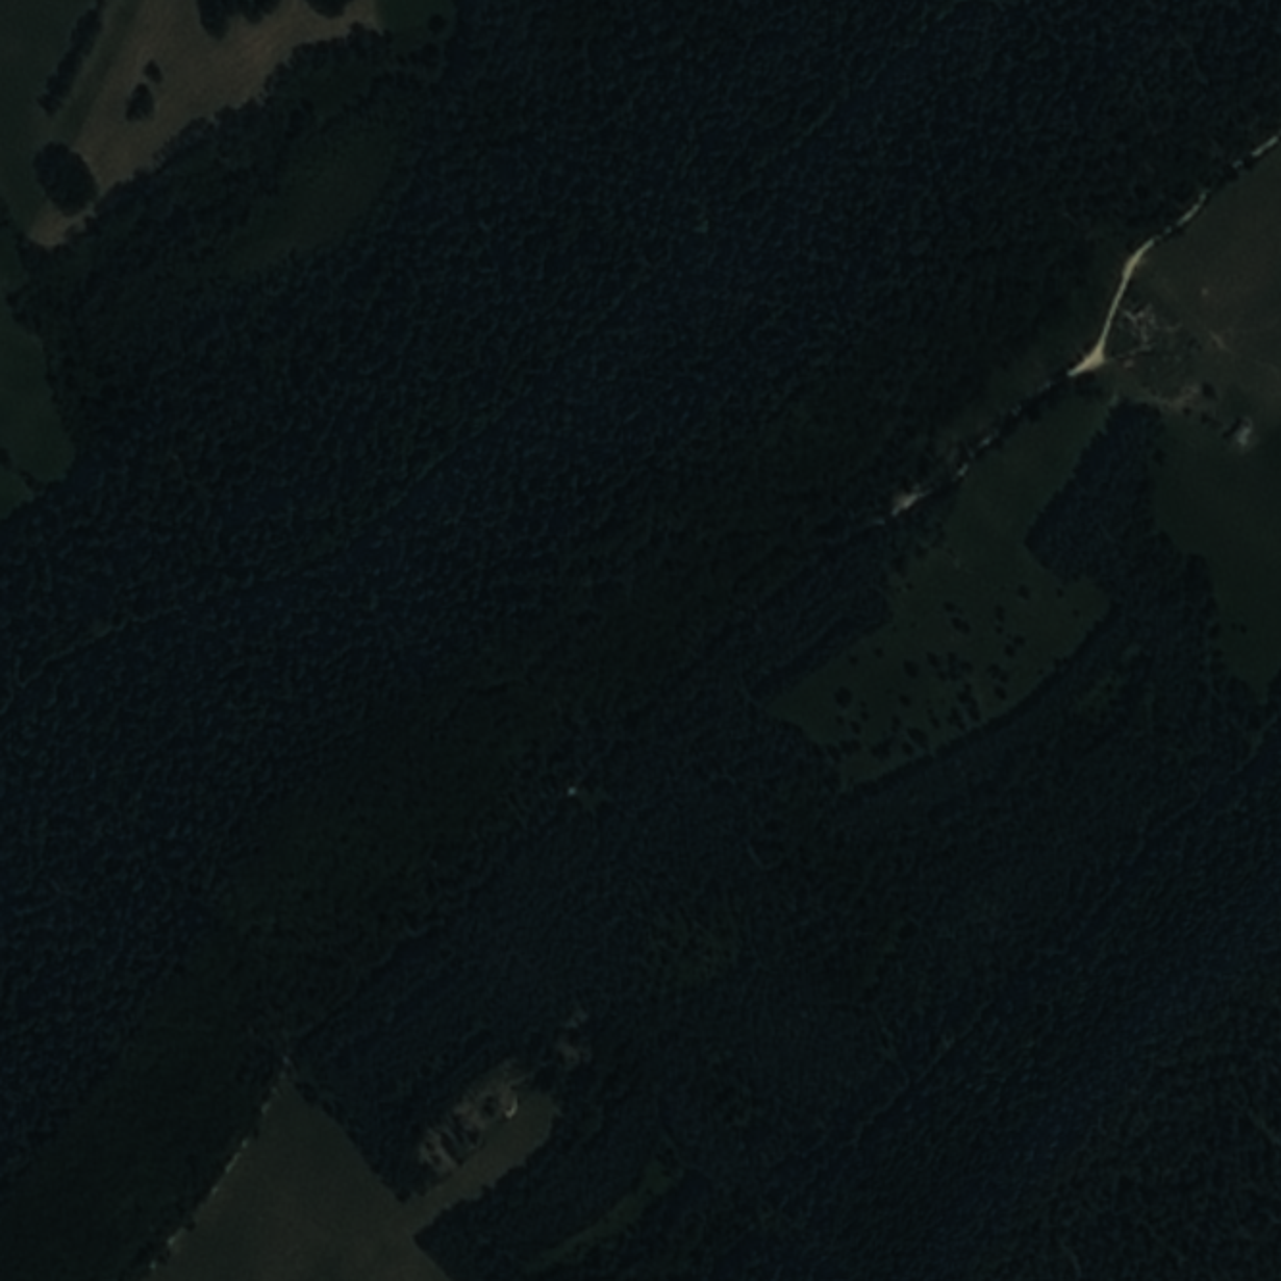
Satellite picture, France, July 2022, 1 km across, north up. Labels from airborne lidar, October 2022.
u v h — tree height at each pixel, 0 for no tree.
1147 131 17
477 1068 13
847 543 18
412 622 29
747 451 13
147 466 30
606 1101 19
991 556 0
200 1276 0
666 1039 14
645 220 26
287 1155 0
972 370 21
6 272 0
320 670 19
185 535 34
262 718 5
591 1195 19
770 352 12
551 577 26
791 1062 19
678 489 15
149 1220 16
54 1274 13
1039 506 0
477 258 32
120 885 11
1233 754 20
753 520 15
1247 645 0
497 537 25
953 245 17
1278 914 22
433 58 15
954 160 23
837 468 18
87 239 7
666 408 29
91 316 17
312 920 18
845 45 22
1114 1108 21
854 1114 27
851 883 18
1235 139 12
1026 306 18
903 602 0
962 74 20
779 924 12
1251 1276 28
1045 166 19
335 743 24
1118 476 21
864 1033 15
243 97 0
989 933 20
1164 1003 22
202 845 20
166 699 18
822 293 16
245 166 6
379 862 18
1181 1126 26
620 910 15
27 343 0
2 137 0
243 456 23
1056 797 17
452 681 18
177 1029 21
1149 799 19
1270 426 0
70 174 22
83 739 14
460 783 20
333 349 23
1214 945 20
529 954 19
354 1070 19
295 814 14
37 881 20
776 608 19
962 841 21
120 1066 12
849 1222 25
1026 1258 13
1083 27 29
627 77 16
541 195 15
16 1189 19
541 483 26
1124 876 21
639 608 17
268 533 23
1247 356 0
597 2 23
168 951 17
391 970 25
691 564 19
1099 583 9
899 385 19
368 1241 0
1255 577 0
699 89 16
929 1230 17
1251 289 0
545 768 16
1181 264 0
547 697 20
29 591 35
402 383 23
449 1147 14
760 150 19
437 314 26
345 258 11
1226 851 30
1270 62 17
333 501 24
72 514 30
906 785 15
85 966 28
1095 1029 27
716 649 21
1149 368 0
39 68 0
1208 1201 19
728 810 18
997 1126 27
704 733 17
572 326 20
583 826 15
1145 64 20
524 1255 20
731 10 29
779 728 10
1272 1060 13
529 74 34
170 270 14
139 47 0
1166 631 25
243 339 8
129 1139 20
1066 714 19
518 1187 18
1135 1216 7
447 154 28
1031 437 0
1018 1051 25
